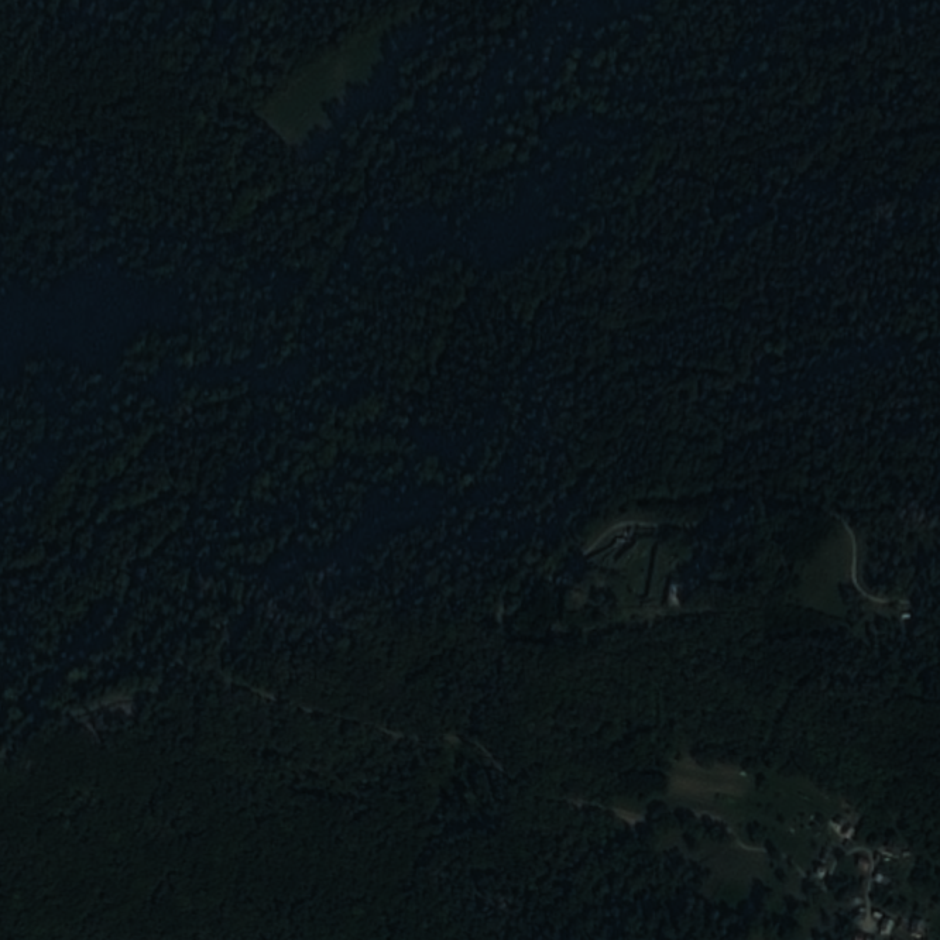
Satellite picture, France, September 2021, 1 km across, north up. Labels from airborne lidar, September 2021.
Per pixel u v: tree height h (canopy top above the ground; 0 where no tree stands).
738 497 15
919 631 17
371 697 19
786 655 28
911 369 23
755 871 0
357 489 34
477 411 14
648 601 12
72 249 27
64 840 24
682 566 12
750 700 23
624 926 37
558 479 27
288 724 22
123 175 33
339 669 22
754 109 27
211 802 26
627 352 22
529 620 12
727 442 29
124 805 24
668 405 23
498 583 21
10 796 20
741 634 26
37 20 27
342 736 24
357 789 25
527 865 32
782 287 31
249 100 24
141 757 26
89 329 40
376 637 23
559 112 32
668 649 20
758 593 25
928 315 26
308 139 0
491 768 20
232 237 15
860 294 33
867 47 22
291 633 28
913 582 15
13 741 9
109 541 24
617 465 23
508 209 33
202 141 23
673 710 16
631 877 25
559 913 35
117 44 29
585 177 40
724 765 15
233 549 30
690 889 12
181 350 20
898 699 19
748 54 20
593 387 23
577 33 32
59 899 26
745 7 26
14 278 29
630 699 22
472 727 6
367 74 0
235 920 24
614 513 21
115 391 31
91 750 23
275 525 24
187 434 22
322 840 28
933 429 12
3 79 24
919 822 10
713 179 14
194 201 31
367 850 21
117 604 18
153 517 24
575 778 18
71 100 22
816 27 27
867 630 21
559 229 27
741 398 23
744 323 24
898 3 20
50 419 33
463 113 14
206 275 34
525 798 24
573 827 18
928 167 21
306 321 29
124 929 19
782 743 17
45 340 35
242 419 26
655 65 28
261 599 17
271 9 34
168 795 30
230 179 26
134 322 24
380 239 31
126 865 23
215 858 29
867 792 9
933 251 20
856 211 16
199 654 17
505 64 7
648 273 33
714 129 29
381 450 36
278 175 24
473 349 12
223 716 22
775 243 34
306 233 34
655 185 30
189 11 26
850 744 27
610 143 35
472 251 21
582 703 17
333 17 26
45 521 23
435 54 19
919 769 22
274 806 33
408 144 24
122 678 22
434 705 22
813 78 22
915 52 31
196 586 25
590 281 22
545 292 26
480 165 41
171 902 26
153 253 34
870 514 15
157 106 25
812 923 0
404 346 31
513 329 10
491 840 24
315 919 24
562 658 24
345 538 15
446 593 30
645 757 10
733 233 10
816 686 22
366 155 21
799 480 25
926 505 22
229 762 26
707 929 25
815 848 8
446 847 22
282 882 28
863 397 29
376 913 25
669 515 10
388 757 28
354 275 27
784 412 29
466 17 19
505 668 27
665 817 20
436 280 34
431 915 25
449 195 29
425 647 17
